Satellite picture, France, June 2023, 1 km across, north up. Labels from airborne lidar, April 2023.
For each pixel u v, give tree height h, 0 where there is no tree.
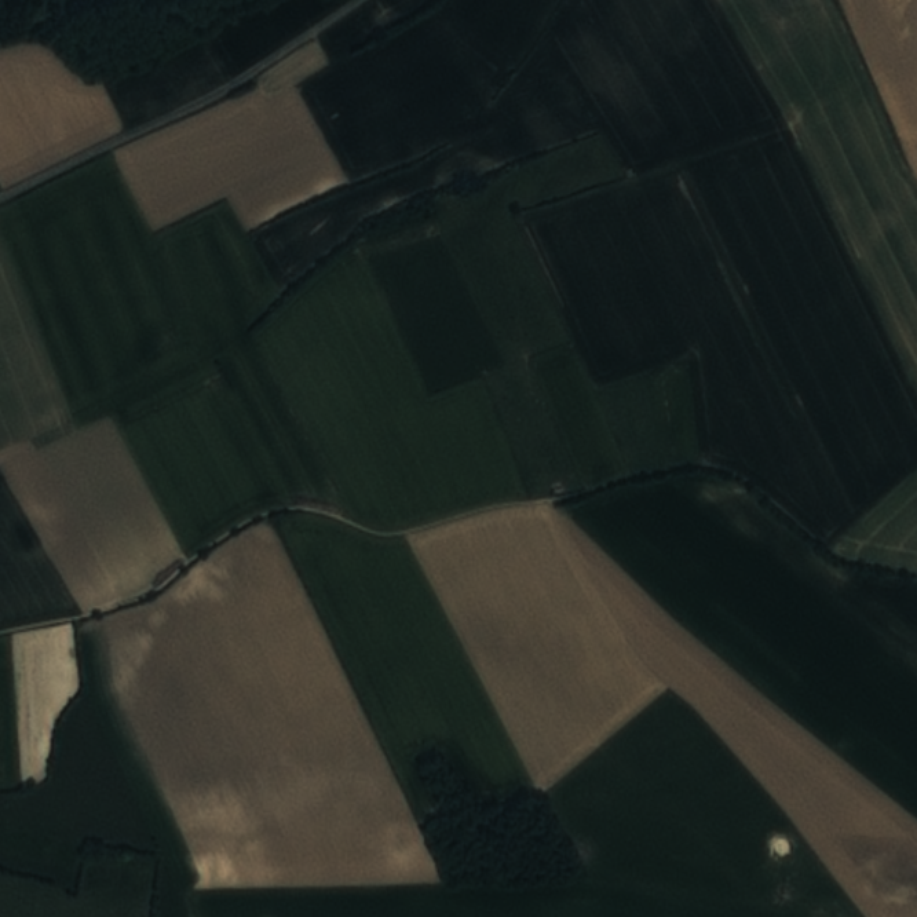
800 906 0
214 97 0
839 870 0
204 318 0
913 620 0
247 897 0
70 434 0
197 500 0
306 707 0
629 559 0
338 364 0
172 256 0
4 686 0
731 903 0
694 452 0
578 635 0
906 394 0
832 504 0
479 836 18
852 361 0
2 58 0
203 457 0
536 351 0
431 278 0
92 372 0
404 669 0
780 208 0
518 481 0
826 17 0
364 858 0
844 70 0
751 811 0
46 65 0
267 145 0
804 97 0
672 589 0
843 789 0
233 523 0
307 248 0
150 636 0
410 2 0
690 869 0
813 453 0
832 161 0
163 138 0
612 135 0
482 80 0
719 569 0
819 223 0
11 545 0
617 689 0
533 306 0
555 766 0
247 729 0
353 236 7
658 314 0
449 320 0
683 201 0
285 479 0
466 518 0
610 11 0
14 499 0
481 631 0
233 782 0
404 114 0
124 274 0
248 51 0
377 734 0
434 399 0
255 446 0
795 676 0
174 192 0
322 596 0
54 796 0
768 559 0
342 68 0
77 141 0
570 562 0
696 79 0
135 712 0
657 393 0
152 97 0
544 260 0
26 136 0
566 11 0
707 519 0
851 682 0
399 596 0
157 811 0
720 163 0
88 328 0
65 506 0
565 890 0
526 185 0
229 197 0
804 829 0
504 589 0
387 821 0
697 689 0
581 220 0
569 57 0
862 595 0
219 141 0
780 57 0
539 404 0
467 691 0
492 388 0
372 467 0
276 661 0
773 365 0
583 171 0
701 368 0
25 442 0
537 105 0
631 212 0
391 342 0
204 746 0
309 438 0
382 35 16
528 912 0
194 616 0
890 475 0
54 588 0
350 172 0
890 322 0
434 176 0
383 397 0
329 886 0
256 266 0
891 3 0
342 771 0
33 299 0
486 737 0
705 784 0
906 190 0
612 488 8
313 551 0
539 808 19
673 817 0
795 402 0
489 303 0
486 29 0
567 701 0
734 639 0
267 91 0
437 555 0
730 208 0
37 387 0
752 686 0
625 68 0
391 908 0
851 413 0
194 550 0
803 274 0
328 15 0
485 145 0
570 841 16
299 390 0
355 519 0
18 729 0
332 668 0
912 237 0
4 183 0
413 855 0
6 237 0
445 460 0
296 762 0
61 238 0
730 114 0
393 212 7
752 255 0
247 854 0
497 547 0
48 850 0
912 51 0
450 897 0
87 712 0
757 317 0
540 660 0
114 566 0
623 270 0
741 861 0
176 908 0
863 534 0
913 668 0
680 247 0
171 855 0
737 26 0
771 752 0
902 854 0
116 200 0
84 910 0
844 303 0
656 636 0
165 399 0
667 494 0
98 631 0
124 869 0
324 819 0
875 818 0
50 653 0
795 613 0
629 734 0
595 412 0
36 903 0
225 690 0
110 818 0
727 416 0
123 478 0
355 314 0
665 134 0
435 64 0
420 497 0
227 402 0
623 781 0
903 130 0
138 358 0
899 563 0
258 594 0
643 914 0
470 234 0
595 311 0
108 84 0
